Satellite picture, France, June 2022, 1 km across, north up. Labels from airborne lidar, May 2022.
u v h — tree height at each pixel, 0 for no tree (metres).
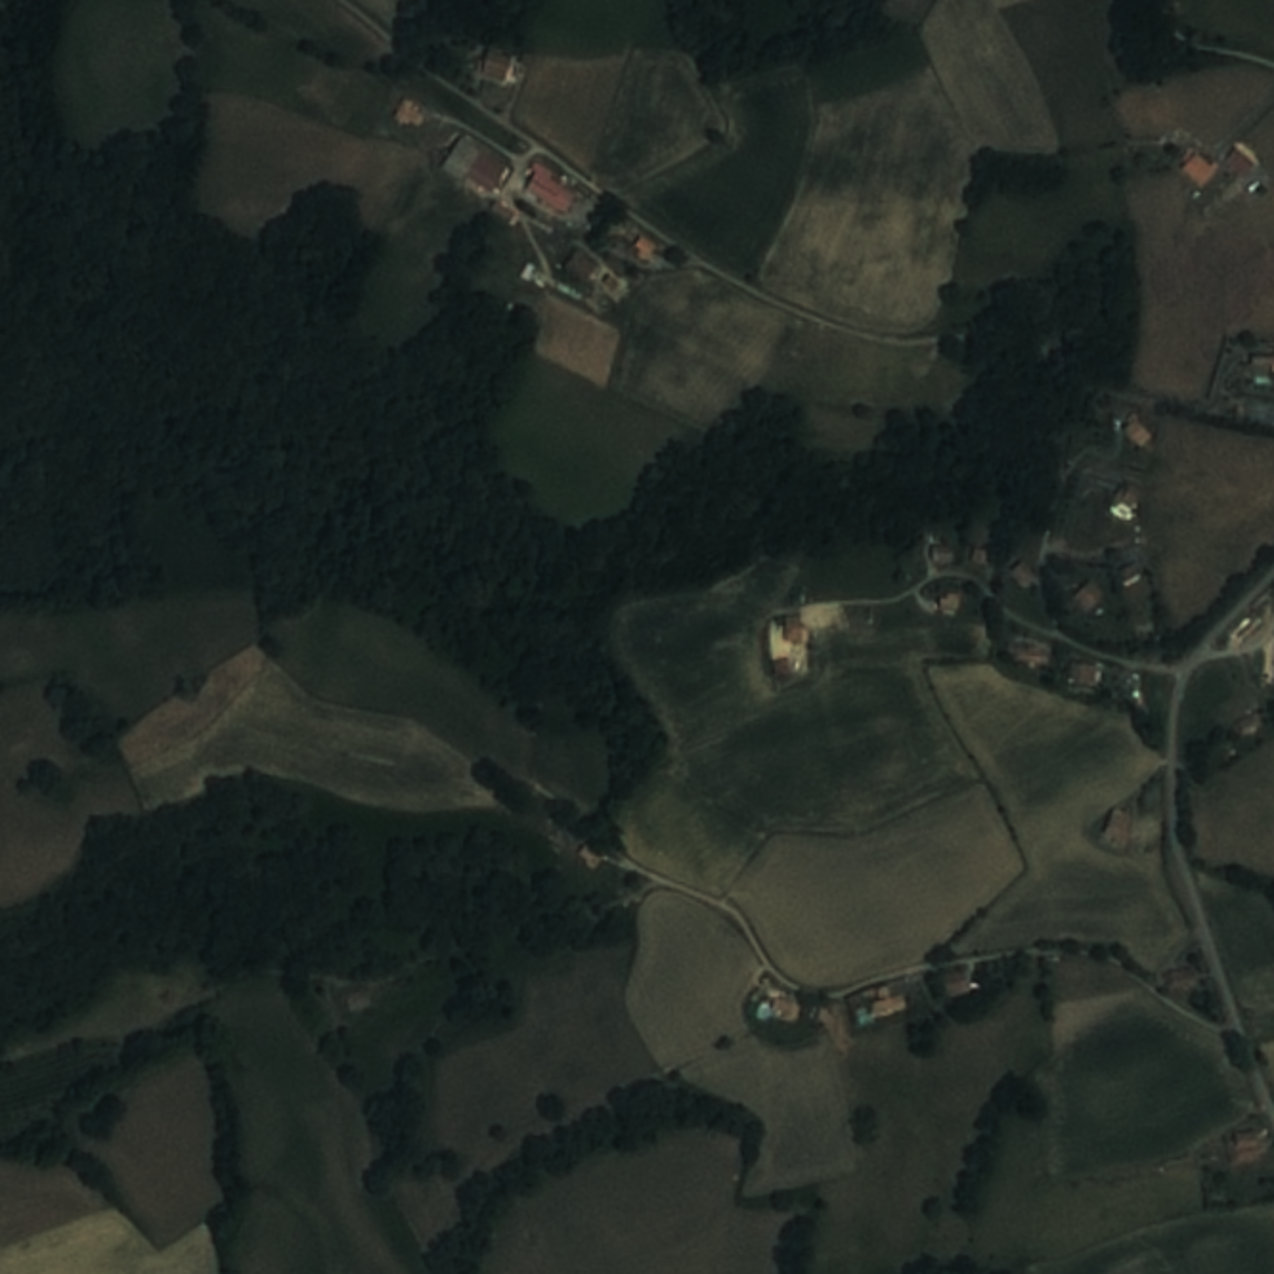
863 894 0
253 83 0
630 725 25
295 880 22
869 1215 0
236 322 16
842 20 12
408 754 0
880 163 0
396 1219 0
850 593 0
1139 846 0
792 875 0
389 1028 0
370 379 19
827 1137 0
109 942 20
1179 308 0
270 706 0
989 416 27
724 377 0
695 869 0
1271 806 0
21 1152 21
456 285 18
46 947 17
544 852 0
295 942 22
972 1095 0
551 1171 25
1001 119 0
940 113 0
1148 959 0
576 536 23
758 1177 0
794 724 0
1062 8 0
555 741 0
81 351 26
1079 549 0
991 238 0
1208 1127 0
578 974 0
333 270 14
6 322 22
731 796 0
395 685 0
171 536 0
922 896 0
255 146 0
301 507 22
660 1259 0
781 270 0
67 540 10
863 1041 0
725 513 21
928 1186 0
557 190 0
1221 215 0
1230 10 0
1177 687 0
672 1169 0
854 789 0
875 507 25
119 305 24
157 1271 0
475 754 0
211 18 0
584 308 0
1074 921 0
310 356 21
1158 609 9
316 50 13
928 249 0
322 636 0
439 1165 18
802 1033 0
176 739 0
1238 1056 21
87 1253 0
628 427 0
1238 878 21
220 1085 14
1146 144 0
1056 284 8
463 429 24
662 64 0
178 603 0
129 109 0
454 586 24
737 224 0
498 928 20
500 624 15
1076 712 0
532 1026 0
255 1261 0
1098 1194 0
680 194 0
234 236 10
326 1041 11
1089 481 0
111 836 25
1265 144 0
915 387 0
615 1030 0
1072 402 17
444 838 13
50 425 28
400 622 6
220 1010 0
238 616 0
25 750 0
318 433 13
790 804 0
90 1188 16
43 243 25
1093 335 18
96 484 15
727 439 17
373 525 19
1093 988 0
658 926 0
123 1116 10
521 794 16
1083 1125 0
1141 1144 0
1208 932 0
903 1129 0
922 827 0
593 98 0
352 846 19
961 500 16
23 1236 0
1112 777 0
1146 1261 0
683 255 12
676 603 0
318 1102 0
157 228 19
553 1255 0
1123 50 15
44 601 17
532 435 0
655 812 0
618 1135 10
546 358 0
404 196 0
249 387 18
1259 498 0
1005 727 0
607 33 0
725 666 0
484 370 11
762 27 0
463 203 0
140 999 0
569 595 13
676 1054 0
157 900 30
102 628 0
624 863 0
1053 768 0
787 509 22
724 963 0
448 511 11
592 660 13
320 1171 0
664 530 17
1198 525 0
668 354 0
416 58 19
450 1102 0
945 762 0
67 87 0
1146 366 0
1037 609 0
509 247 0
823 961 0
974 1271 27
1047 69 0
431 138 0
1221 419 6
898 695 0
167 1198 0
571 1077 0
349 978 10
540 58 0
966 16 0
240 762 0
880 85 0
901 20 0
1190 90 0
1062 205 0
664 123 0
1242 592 18
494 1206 9
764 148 0
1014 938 0
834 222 0
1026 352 23
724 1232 0
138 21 0
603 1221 0
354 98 0
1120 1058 0
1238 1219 0
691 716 0
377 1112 16
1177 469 0
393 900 19
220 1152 15
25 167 28
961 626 0
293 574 19
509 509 21
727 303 0
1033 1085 0
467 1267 12
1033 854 0
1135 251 7
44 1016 11
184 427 20
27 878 0
